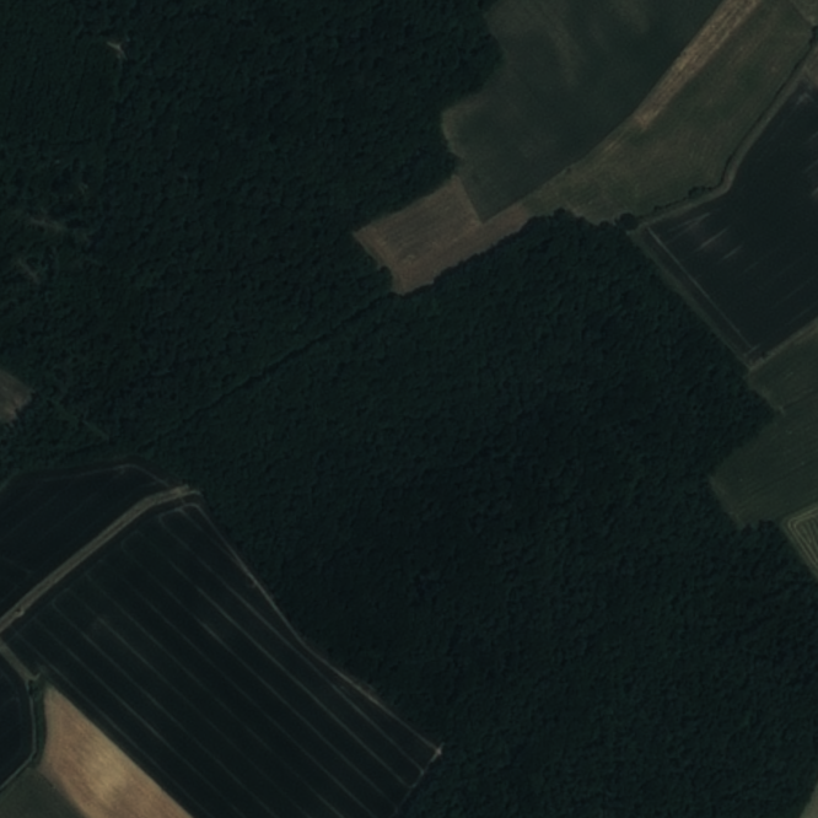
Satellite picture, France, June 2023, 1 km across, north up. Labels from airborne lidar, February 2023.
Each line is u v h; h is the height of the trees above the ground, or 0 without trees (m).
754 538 20
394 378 24
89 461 18
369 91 23
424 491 33
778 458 0
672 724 21
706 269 0
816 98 0
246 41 26
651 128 0
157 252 29
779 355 0
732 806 23
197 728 0
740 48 0
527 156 0
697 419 23
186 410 22
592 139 0
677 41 0
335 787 0
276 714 0
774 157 0
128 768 0
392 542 36
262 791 0
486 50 22
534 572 27
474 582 30
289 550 28
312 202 25
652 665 24
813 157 0
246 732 0
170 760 0
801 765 17
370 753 0
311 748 0
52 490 0
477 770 23
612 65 0
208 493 16
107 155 24
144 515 0
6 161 25
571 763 25
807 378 0
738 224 0
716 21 0
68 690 0
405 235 0
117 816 0
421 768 0
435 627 26
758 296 0
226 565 0
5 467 17
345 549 29
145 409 27
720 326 0
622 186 0
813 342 0
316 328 24
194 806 0
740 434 22
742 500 0
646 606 25
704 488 18
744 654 20
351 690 0
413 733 0
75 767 0
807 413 0
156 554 0
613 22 0
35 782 0
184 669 0
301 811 0
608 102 0
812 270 0
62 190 29
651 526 24
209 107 28
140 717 0
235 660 0
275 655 0
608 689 26
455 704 23
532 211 0
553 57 0
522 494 31
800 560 8
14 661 0
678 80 0
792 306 0
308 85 26
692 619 22
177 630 0
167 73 25
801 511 0
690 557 25
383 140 27
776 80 0
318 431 25
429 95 26
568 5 0
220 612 0
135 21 17
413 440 28
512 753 14
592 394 24
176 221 25
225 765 0
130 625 0
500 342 24
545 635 25
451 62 20
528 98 0
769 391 0
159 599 0
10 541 0
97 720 0
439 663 29
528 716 25
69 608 0
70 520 0
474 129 0
